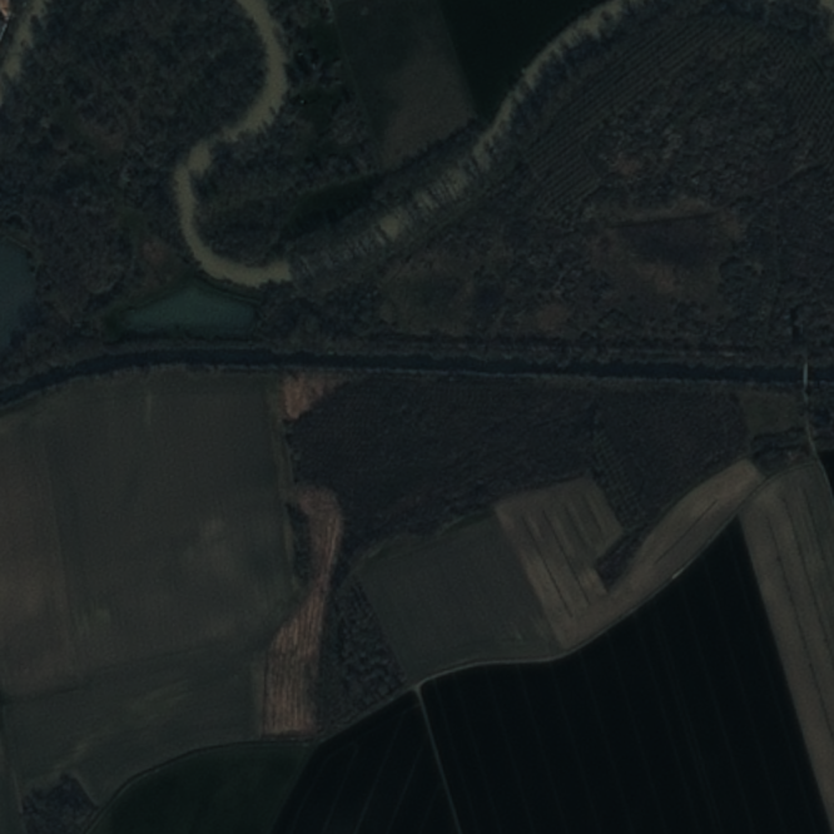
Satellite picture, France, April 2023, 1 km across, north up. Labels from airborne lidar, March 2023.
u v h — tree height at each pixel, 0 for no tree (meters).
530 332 0
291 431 10
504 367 0
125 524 0
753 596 0
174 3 42
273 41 0
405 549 0
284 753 0
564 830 0
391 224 0
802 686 0
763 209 5
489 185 33
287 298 9
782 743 0
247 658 0
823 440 26
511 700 0
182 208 13
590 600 0
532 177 28
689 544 0
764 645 0
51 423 0
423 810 0
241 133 0
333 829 0
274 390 0
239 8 16
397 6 0
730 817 0
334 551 0
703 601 0
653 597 0
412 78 0
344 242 28
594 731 0
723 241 0
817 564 0
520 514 0
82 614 0
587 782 0
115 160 0
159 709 0
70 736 0
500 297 0
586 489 0
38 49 7
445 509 6
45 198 36
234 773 0
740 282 8
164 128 29
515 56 0
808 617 0
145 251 0
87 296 38
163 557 0
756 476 0
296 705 0
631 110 8
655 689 0
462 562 0
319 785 0
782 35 15
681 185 6
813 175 6
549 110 33
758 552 0
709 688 0
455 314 0
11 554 0
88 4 25
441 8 0
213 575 0
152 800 0
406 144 0
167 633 0
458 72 0
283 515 0
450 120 0
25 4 8
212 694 0
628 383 29
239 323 0
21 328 0
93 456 0
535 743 0
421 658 0
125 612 0
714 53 14
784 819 0
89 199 37
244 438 0
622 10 0
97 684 0
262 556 0
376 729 0
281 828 0
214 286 0
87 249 36
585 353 17
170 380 0
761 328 7
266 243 7
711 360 27
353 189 0
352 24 0
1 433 0
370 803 0
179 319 0
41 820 9
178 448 0
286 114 7
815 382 0
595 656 0
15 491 0
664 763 0
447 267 0
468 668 0
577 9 0
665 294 0
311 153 0
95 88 38
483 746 0
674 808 0
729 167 8
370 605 19
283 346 13
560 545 0
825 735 0
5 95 0
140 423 0
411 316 0
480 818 0
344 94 0
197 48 35
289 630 0
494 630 0
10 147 24
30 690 0
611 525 0
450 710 0
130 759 0
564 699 0
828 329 7
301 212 0
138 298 0
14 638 0
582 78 30
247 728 0
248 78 12
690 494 0
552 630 0
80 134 0
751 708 0
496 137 0
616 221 0
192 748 0
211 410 0
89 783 0
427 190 16
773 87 6
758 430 0
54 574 0
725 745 0
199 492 0
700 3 33
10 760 0
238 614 0
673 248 0
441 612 0
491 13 0
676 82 6
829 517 0
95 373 24
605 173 7
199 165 0
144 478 0
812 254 6
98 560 0
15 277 0
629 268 0
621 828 0
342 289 9
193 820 0
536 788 0
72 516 0
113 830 0
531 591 0
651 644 0
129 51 34
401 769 0
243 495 0
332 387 0
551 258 6
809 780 0
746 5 13
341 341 27
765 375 0
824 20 21
